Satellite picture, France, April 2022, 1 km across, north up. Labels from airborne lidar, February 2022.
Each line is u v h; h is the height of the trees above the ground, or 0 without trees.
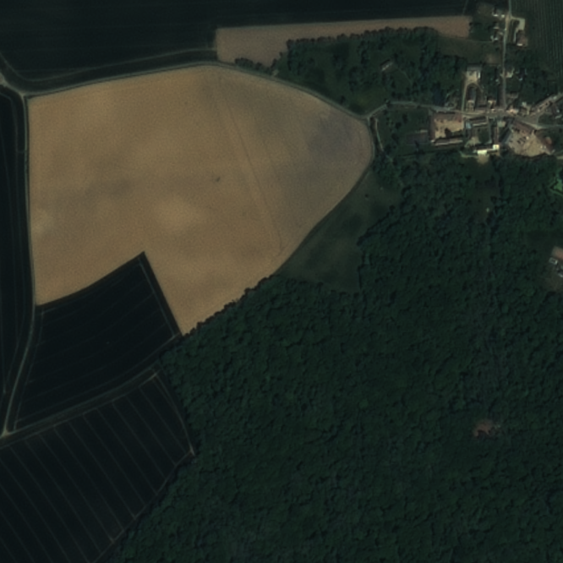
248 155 0
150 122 0
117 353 0
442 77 19
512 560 25
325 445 21
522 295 25
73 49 0
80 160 0
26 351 0
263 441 21
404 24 0
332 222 0
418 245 28
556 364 16
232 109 0
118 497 0
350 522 26
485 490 29
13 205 0
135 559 16
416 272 28
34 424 0
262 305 12
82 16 0
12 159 0
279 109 0
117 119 0
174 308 0
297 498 29
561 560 26
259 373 22
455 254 29
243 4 0
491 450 20
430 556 25
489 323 26
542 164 20
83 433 0
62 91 0
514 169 25
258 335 21
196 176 0
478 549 24
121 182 0
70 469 0
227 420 20
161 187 0
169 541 15
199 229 0
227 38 0
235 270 0
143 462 0
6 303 0
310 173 0
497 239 25
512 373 23
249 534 28
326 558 20
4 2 0
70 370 0
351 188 0
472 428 13
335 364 28
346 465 27
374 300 17
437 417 27
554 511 26
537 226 21
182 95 0
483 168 0
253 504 18
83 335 0
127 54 0
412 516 25
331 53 0
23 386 0
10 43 0
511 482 25
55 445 0
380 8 0
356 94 13
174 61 0
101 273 0
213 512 19
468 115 0
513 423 15
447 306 23
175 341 0
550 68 0
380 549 25
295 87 0
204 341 19
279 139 0
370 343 17
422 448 24
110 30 0
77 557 0
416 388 28
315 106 0
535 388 15
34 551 0
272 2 0
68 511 0
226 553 22
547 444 11
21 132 0
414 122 0
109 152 0
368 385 26
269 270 0
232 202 0
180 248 0
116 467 0
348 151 0
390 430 32
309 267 0
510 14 0
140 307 0
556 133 0
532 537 26
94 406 0
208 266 0
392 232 19
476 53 0
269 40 0
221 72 0
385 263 17
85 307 0
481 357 33
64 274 0
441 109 0
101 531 0
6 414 0
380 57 0
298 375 28
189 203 0
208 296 0
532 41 0
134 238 0
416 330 19
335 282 0
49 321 0
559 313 26
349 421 25
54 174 0
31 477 0
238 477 22
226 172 0
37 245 0
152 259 0
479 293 10
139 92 0
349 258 0
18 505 0
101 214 0
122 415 0
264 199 0
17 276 0
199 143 0
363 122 0
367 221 0
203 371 21
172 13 0
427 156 25
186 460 0
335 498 25
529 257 18
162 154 0
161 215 0
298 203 0
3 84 0
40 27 0
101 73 0
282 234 0
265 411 22
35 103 0
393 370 21
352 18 0
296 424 28
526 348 15
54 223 0
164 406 0
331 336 22
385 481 26
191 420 18
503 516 25
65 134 0
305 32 0
